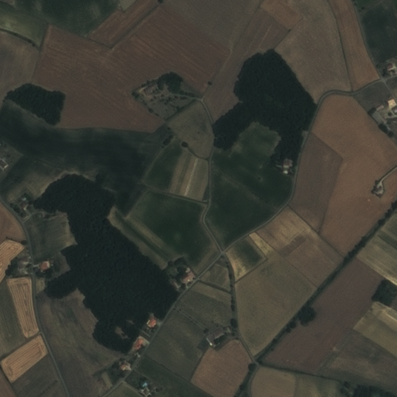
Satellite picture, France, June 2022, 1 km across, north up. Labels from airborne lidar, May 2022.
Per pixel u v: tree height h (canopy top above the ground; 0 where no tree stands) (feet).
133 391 0
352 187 0
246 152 0
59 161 0
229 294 0
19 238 0
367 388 84
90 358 0
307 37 0
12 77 0
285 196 0
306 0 0
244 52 0
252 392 0
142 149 0
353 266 0
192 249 0
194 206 0
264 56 43
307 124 46
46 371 0
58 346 0
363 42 0
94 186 53
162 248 0
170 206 0
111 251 66
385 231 0
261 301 0
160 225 0
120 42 0
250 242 0
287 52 0
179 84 54
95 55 0
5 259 0
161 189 0
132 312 65
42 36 0
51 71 0
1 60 0
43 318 0
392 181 0
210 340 0
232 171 0
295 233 0
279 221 0
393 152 0
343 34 0
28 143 0
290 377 0
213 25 0
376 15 0
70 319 0
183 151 0
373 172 0
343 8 0
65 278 63
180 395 0
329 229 0
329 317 0
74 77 0
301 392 0
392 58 0
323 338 0
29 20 0
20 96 54
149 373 0
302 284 0
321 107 0
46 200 57
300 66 0
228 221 0
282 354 0
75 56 0
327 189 0
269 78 61
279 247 0
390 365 0
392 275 0
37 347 0
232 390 0
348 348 0
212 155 0
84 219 66
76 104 0
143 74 0
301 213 0
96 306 52
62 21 0
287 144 51
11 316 0
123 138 0
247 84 40
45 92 64
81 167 0
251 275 0
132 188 0
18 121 0
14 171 0
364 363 0
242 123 54
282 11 0
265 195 0
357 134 0
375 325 0
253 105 46
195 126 0
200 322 0
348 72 0
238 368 0
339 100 0
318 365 0
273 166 24
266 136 0
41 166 0
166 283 48
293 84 57
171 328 0
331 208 0
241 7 0
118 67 0
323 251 0
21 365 0
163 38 0
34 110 38
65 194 60
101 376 0
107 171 0
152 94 0
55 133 0
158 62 0
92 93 0
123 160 0
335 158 0
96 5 0
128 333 55
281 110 61
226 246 0
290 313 0
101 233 62
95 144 0
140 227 0
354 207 0
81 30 0
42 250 0
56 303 0
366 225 0
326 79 0
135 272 69
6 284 0
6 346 0
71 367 0
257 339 0
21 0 0
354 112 0
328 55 0
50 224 0
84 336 0
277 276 0
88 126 0
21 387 0
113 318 59
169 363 0
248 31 0
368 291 0
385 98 0
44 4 0
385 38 0
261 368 0
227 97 0
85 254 58
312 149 0
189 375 0
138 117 0
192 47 0
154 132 0
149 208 0
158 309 56
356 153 0
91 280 62
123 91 0
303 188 0
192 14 0
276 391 0
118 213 0
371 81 0
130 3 0
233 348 0
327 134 0
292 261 0
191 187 0
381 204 0
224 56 0
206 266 0
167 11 0
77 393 0
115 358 0
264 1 0
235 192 0
